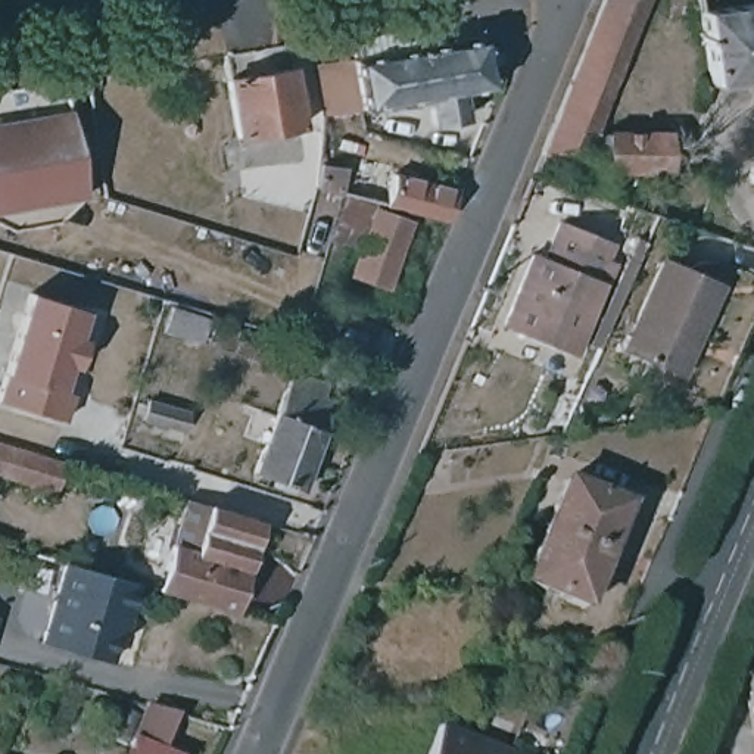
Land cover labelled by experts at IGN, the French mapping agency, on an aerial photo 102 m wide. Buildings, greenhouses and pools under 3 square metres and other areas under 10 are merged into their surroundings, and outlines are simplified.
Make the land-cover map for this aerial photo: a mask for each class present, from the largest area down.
<instances>
[{"label":"impervious surface","instance_id":"1","mask_svg":"<svg viewBox=\"0 0 754 754\"><path fill-rule=\"evenodd\" d=\"M103 0H0V38H21V27L29 21L32 12H82L97 9ZM180 6V18H189L203 38H209L215 27L221 29L230 47L224 65L233 68L236 80H259L286 71H300L306 77L309 106L318 112L312 118V130L295 138L289 135L286 141L250 138L244 133L236 80L227 82V94L239 141L227 150L230 174H224L221 189H244V197L250 200L289 209H303L312 200L306 233L295 247L297 256H318L324 262H330L333 247L353 244L371 233V215L377 212V200L389 197L386 186L398 174L389 165H324V127L333 118V109L324 103L318 71V62L289 53L283 38L271 35L268 0H171ZM601 0H468L462 6L468 9V21L459 27L454 38L445 41L448 50H471L474 44H489L498 50L501 80L492 94H483V103L489 106V121L483 127L477 147H468V141L454 130H439L436 106L392 109L395 121L383 124H377L371 112L350 115L342 121L348 133H362V138L377 135L389 144L418 150L457 153V168H471L477 183V191L459 209L457 221L445 224V242L430 265L427 289L418 292V315L409 324L406 336L415 345V356L412 365L401 371L398 386L377 395V409L371 415L380 421V457L371 462H353L350 457H345V451L336 454L333 433L318 427L312 430L297 483H321V489L330 492L333 510H312L303 504L289 507L283 498H265L256 492L233 489L230 480L203 471L194 480L186 471L162 468L144 459H127L115 451L118 445H124L127 436V424L118 415V409L91 401H85L82 406L80 412H74L71 421H59L44 412L12 406L9 401L0 404V445L38 454L53 462H65L77 459L88 468H100L109 474H130L159 489L177 492L189 504L215 507L268 524V548L262 554V568L253 580V601H265L268 607L289 604L292 619V627L286 633H274L268 648L259 645L256 660L247 663V674L236 686H224L221 680L183 677L174 666L165 672L133 669L130 648H124L118 663H103L50 645L59 595L68 580V566L62 563V557L38 554L41 586H18L15 595H0V657L32 666L74 663L80 666V674L91 677L94 683L138 692L141 698L159 695L168 692L194 698L197 704L224 707L227 722L233 730V754H303L306 745L315 742L321 733L312 727V716L306 713V707L312 689L318 686L321 648L330 636L333 619L345 621L353 598L365 589V574L374 563L377 545L389 530V518L409 480L412 462L418 454H424L430 442L442 401L459 368V362H462V356H465V350H468V348H474V345H486V348H504L515 356L533 359L536 380L524 409L510 421H495V427L483 424V436L501 430L527 433H539L568 427L574 412L583 409V392L595 380L601 365V348H613L619 339H624V324L633 321L645 292V283L636 280V271L642 268L636 253L639 239L621 236L619 215L610 209H598L592 197L574 203L568 191H560L554 186L545 189L542 183H536L539 171L536 162L548 127L560 109L563 91L571 80V71L586 44ZM560 224L589 230L607 242H624V250L616 253L619 265L613 274L619 277V286H607L604 306L589 333V345L595 350H583L577 356L568 348H554L527 333H515L510 324L524 292V283L533 271L536 250L560 236ZM512 250H521V265L507 283L498 321L489 327H483L480 321L471 324L480 292L495 289L504 259ZM545 389L557 392L560 401L554 418L548 424L533 427V412L539 409ZM754 9V0H698V9L701 15ZM56 115H77L74 106H50L44 94L29 88H15L0 97V127ZM701 135H677V171L704 174L722 186H730V227L727 236H719V242L689 244V253L677 256V265L701 271L719 283L736 286L739 271L754 268V162L742 165L727 150L745 124L754 130V88L748 94L719 88L716 103L707 112H701ZM12 256L0 268V377L9 365V350L15 342V315L32 295L27 286L9 280ZM283 415L277 412L268 415L256 409L247 421L244 436L262 442H274L277 436ZM725 433L710 427L698 442L683 492L669 489L674 483V471H657L645 462L627 459L613 451H604L586 468L563 454L554 451L548 454L551 465L557 468V474L548 483L542 507L521 515L530 527L524 563L536 568V551L545 539L554 510L563 507L577 474H583V480L592 477L613 483L616 489H630L642 498L627 545L621 548L619 566L613 571L616 589L604 595L592 586L586 595V607H574L566 601L545 598V589L536 583H518V592L524 598L527 639L563 633H580L592 639V630H604L613 624H630L639 630V621L651 616L666 595L672 601H680V630L624 754H683L677 742L686 739L683 725L689 722L707 666L730 621V613L745 598L742 586L754 566V459L742 477V489L719 530L716 548L704 571L695 580L680 577L674 560L680 554V521L674 518V512L680 501L689 504L698 495L704 471L722 451ZM454 457L442 451L427 489L430 495H445L451 489ZM189 504L186 510H180V515L156 524L147 533L144 554L150 560L153 574L162 577L177 574L180 548L171 545V536L174 527L186 524ZM563 716L557 713H551L548 719H527L521 710H510L507 716H495V727L510 733H530L539 748L554 754H560L568 742L560 730ZM716 754H754V736L745 725L736 733L733 745L722 739Z\"/></svg>","mask_w":754,"mask_h":754},{"label":"herbaceous vegetation","instance_id":"2","mask_svg":"<svg viewBox=\"0 0 754 754\"><path fill-rule=\"evenodd\" d=\"M698 9V0H663L645 50L639 56V65L621 97L619 118L607 121L604 130L610 135H701V112L692 106L695 56L683 27L686 12ZM197 68L215 77V97L203 112V127L194 130L186 121L162 118L153 109L144 85H124L112 77L106 80L103 97H97L94 103L74 106L77 115L82 121L85 141L91 150V183L82 189L85 206L74 218L27 224L6 218L0 224V268L12 256L9 280L27 286L32 295L94 315L88 368L77 377V398L82 406L85 401H91L118 409V415L127 424V436L124 445H118L115 451L127 459H144L162 468L186 471L194 480L203 471L230 480L233 489L256 492L265 498H283L289 507L303 504L312 510H333L330 492L321 489V483H297L274 486L262 477L256 480L253 465L262 442L244 436L247 421L256 409L268 415L277 412L280 392L289 383L280 374L262 371L265 362L256 353L247 359V365L239 359H224L221 342L209 333V339L200 348H189L183 339L168 336V330L174 327L180 309L209 321L236 318L239 324L262 327V318L271 315L277 306H283L286 312H306L309 327L321 342H336L342 353L356 350L362 356H383L401 371L412 365L415 356V345L406 336L383 318H336L324 303V295L315 289L324 262L318 256H297L295 247L306 233L312 200L303 209H289L250 200L244 197V189H221L224 174H230L227 150L239 141L227 94V82L236 80L233 68L224 65L230 47L221 29L215 27L209 38H203L194 47ZM135 365L144 380H150L147 392L153 395L171 392L189 398L200 380V371L215 368L221 383L233 392V398L203 412L200 421L191 424L153 412V404H141V398H127V371ZM418 150L389 144L377 135L362 138V133H348L342 121L333 118L324 127V165H389L398 174L424 180L430 186L457 189L459 209L477 191V183L471 168H457L421 165L415 162ZM621 236L639 239L636 253L642 268L636 271V280L645 283V292L633 321L624 324V339H619L613 348H601V365L595 380L583 392V404H592L589 392L595 389H601L604 395L613 389L621 392L633 377L648 374L651 368L663 371L666 365L660 359L627 353V348L636 330L642 327L648 303L672 256L669 239L660 230L663 218L633 206H621L619 215ZM663 218L692 224L689 244L719 242V236H727L730 227L719 224L698 206H669ZM521 265V250H512L504 259L495 289L480 292L471 324L480 321L483 327H489L498 321L507 283ZM713 345L707 348L701 380L692 383L674 377L666 386L683 412L701 415L695 427L654 430L639 439L616 430H601L592 439L568 442L563 454L586 468L604 451H613L627 459L645 462L657 471H674V483L669 489L683 492L698 442L710 427L704 409H727L733 404V395H727V380L739 362V353L754 356V268L739 271L736 286L722 324H713L710 330ZM536 380L533 359L515 356L504 348H492V365H483V368H480V365H471L468 371H465V368H459L442 401L430 442H439L442 451L454 457L451 489L445 495H430L427 489L409 524L401 557L389 568L386 580L406 583L427 577L433 586L451 589L454 595L451 601L439 604L412 601L404 613L392 619H386L380 607L368 610L365 624H374L380 630V639L374 642V654L359 651L350 660L348 677L368 695H377L383 707H401L409 695L439 692L445 686L439 677L462 666V645L474 639L468 633V624L459 621L457 589L462 586V571L468 566H477L480 554L495 539H504L521 515L530 483L539 477L542 468L551 465L548 454L554 451L551 442L539 439V433H527V445L451 448V436H483V424L495 427V421H510L524 409ZM498 483H510V510L486 518L477 527V533H465L459 515L462 501L486 495ZM350 404L371 415L377 409V395L365 389H348ZM156 524L144 510H124L121 501L112 507H100V498L74 495H68L53 510H35L12 492L0 498V539L15 542L21 533H27V539H44L50 545H59L94 530L106 542L91 554V563H85V568L133 580L147 598L162 589V577L153 574L150 560L144 554L147 533ZM209 616L206 604L186 607L177 619L165 624H144L141 630H135L130 648L133 669L165 672L174 666L183 677L221 680L224 686H236L247 674V663L256 660L259 645L268 648L274 633H286L292 627V619L286 624H271L265 619L250 616L247 610L230 604L227 616H215L221 621V648L203 651L197 642H191L189 633L200 619ZM0 674L27 677L32 695L44 689V674H65L71 683L82 686L88 704H106L121 713H135L141 707V698L138 692L94 683L91 677L80 674V666L74 663L32 666L0 657ZM754 680V657L742 674V689L736 695L722 739L733 745L736 733L745 725ZM162 707L180 710V727L171 754H206L203 739L209 733H218V725L227 722L224 707L197 704L194 698L168 692L159 695ZM80 745V733L68 730L65 736L47 739V730H41L29 733V742H18L15 754H71Z\"/></svg>","mask_w":754,"mask_h":754},{"label":"deciduous trees","instance_id":"3","mask_svg":"<svg viewBox=\"0 0 754 754\"><path fill-rule=\"evenodd\" d=\"M203 38L189 18H180V6L171 0H103L97 9L82 12H32L29 21L21 27V38H0V97L15 88H29L44 94L50 106H74L94 103L97 97H103L106 80L112 77L124 85H144L153 109L162 118L186 121L194 130L203 127V112L215 97V77L197 68L194 47ZM468 0H268L271 35L283 38L289 53L318 62V71L324 65L350 59L356 47L374 44L395 27L418 24L427 44L445 41L454 38L459 27L468 21V9L462 6ZM742 165L754 162V130L745 124L727 150ZM536 183H542L545 189L554 186L560 191H568L574 203L592 197L598 209H610L619 215L621 206H633L663 218L669 206H698L719 224L730 227V186H722L704 174L677 171L630 177V171L619 165L613 153H601L583 141L577 150L566 156H551L539 171ZM415 162L421 165L457 168V153L418 150ZM445 224L427 218L418 221L404 262V274L398 277V286L389 292H380L353 277L356 262L362 256H389L392 242L371 233L353 244L333 247L330 262H324L315 289L324 295V303L336 318H383L406 336L409 324L418 315V292L427 289L430 265L445 242ZM692 224L663 218L660 230L669 239L672 256H677L689 253V244ZM209 333L221 342L242 333V342H250L256 353L265 362L262 371L280 374L295 389H336L333 433L336 454L345 451V457H350L353 462H371L380 457V421L371 415L350 404L348 389H365L377 395L398 386L401 371L383 356H362L356 350L342 353L336 342H321L309 327L306 312H286L283 306H277L271 315L262 318V327L239 324L236 318L209 321ZM727 395H733V404L727 409H704L710 427L725 433L722 451L704 471L698 495L689 504L680 501L674 512V518L680 521V554L674 560L680 577L695 580L704 571L716 548L719 530L742 489V477L754 459V356L739 353V362L727 380ZM127 398H141V404H153V395L147 392L150 380H144L135 365L127 371ZM233 398V392L221 383L215 368L200 371V380L189 398L203 412ZM592 404H583V409L574 412L568 427L539 433V439L551 442L554 451L563 454L568 442L592 439L601 430H616L639 439L654 430L695 427L701 415L683 412L666 386L663 371L651 368L648 374L633 377L621 392L613 389L604 395L601 389H595L589 392ZM560 401L557 392L545 389L539 409L533 412V427L548 424L554 418ZM65 486H71L74 495L100 498V507H112L121 501L124 510H144L156 524L180 515V510H186L189 504L177 492L159 489L130 474H109L100 468H88L77 459L65 462L62 474ZM510 483H498L486 495L462 501L459 515L465 533H477V527L486 518L510 510ZM530 527L521 515L504 539H495L480 554L477 566H468L462 571V586L457 589L459 621L468 624V633L474 639L462 645V666L439 677L445 686L439 692L409 695L401 707H383L377 695H368L348 677L350 660L359 651L374 654V642L380 639V630L374 624H365L368 610L380 607L386 619H392L404 613L412 601L439 604L451 601L454 595L451 589L433 586L427 577L406 583L386 580H380V589H365L353 598L345 621L333 619L330 636L321 648L318 686L312 689L306 707V713L312 716V727L321 733L315 742L306 745L303 754H433L430 745L439 725L448 727L451 722L465 719L480 727H495V716H507L510 710H521L527 719H548L551 713H557L563 716L560 730L568 742L560 754H624L680 630V601H672L666 595L651 616L639 621V630L630 624H613L604 630H592V639L580 633H563L527 639L524 598L518 592V583H536V568L524 563ZM106 542L94 530L59 545H50L44 539H27V533H21L15 542L0 539V595H15L18 586H41L38 554L62 557V563L68 566L85 568V563H91V554ZM745 598L730 613V621L707 666L689 722L683 725L686 739L677 742L683 754H716L722 739L736 695L742 689V674L754 657V566L742 586ZM186 607L183 598L165 595L162 589L147 598L141 601L144 624H165L177 619ZM250 616L265 619L271 624H286L292 619L289 604L268 607L265 601H253L247 610ZM191 642H197L203 651L221 648V621L215 616H209L200 619L189 633ZM121 713L106 704H88L82 686L71 683L65 674H44V689L32 695L27 677L0 674V754H15L18 742H29V733L41 730H47V739L65 736L68 730L80 733V745L71 754H127L118 745Z\"/></svg>","mask_w":754,"mask_h":754},{"label":"building","instance_id":"4","mask_svg":"<svg viewBox=\"0 0 754 754\"><path fill-rule=\"evenodd\" d=\"M663 0H601L586 44L571 71V80L563 91L560 109L548 127L536 162L539 171L551 156H566L577 150L583 141L601 153H613L619 165L630 171V177L677 171V135H610L604 130L607 121L619 118L621 97L639 65V56L645 50ZM707 68L719 88L748 94L754 88V9L701 15ZM324 103L333 109V118L342 121L350 115L371 112L377 124H383L395 121L392 109L436 106L439 130H454L468 141V147H477L483 127L489 121V106L483 103V94H492L501 80L498 50L489 44H474L471 50H448L445 41L427 44L418 24L395 27L374 44L356 47L350 59L324 65L318 71ZM244 133L250 138L286 141L289 135L295 138L312 130V118L318 112L309 106L306 77L300 71H286L259 80H236ZM91 183V150L85 141L82 121L77 115H56L0 127V224L6 218L27 224L74 218L85 206L82 189ZM389 197L377 200V212L371 215V233L392 242L389 256H362L356 262L353 277L380 292H389L398 286V277L404 274V262L418 221L427 218L445 224L457 221L459 209L457 189L430 186L424 180L398 174L386 186ZM624 250V242H607L589 230L560 224V236L536 250L533 271L524 283V292L510 324L515 333H527L554 348H568L577 356L583 350H595L589 345V333L604 306L607 286H619V277L613 274L619 265L616 253ZM736 286L719 283L701 271L677 265V256H672L648 303L642 327L636 330L627 348V353L660 359L666 365L663 371L666 386L674 377L692 383L701 380L707 348L713 345L710 330L713 324H722ZM94 315L32 295L15 315V342L9 350V365L0 377V404L9 401L12 406L44 412L59 421H71L74 412H80L82 406L77 398V377L88 368ZM209 321L180 309L174 327L168 330V336L183 339L189 348H200L209 339ZM224 359H239L247 365V359L256 353L250 342H242V333L221 342ZM336 389H295L289 383L280 392L277 412L283 415L277 436L274 442H262L253 465L256 480L262 477L274 486L297 483L312 430L318 427L333 433ZM153 412L191 424L200 421L203 412L189 398L171 392L153 395ZM65 462H53L38 454L0 445V477L27 486H47L50 474H62ZM642 498L630 489H616L613 483L592 477L583 480V474H577L563 507L554 510L545 539L536 551V583L545 589V598L566 601L574 607H586V595L592 586L604 595L616 589L613 571L619 566L621 548L627 545ZM171 545L180 548L177 574L162 577V589L165 595L183 598L186 607L206 604L209 616H227L230 604L247 610L253 601V580L262 568V554L268 548V524L215 507L189 504L186 524L174 527L171 536ZM147 598L133 580L85 568L68 566V580L59 595L50 645L103 663H118L124 648H130L135 630H141L144 624L141 601ZM754 736V680L745 725ZM180 727V710L162 707L159 695L141 698V707L135 713H121L118 745L127 754H171ZM433 754H554L539 748L530 733H510L495 727H480L465 719L451 722L448 727L439 725L430 745Z\"/></svg>","mask_w":754,"mask_h":754},{"label":"brushwood","instance_id":"5","mask_svg":"<svg viewBox=\"0 0 754 754\"><path fill-rule=\"evenodd\" d=\"M683 27L695 56L692 106L701 112H707L716 103L719 88L707 68L701 15L698 9L686 12ZM471 365H480V368H483V365H492V348H486V345H474V348H468V350H465V356H462V362H459V368H465V371H468ZM527 445V433L501 430L483 436H451V448ZM442 451L439 442H430L424 454H418L412 462L409 480L389 518V530L377 545L374 563L365 574V589H380V580H386L389 568L401 557L409 524L427 489ZM557 474V468L551 465L542 468L539 477L530 483L521 515L542 507L548 483ZM12 492L35 510H53L68 495H74L71 486H65L62 474H50L47 486H27L0 477V498ZM233 730L227 722L218 725V733H209L203 739L206 754H233Z\"/></svg>","mask_w":754,"mask_h":754}]
</instances>
